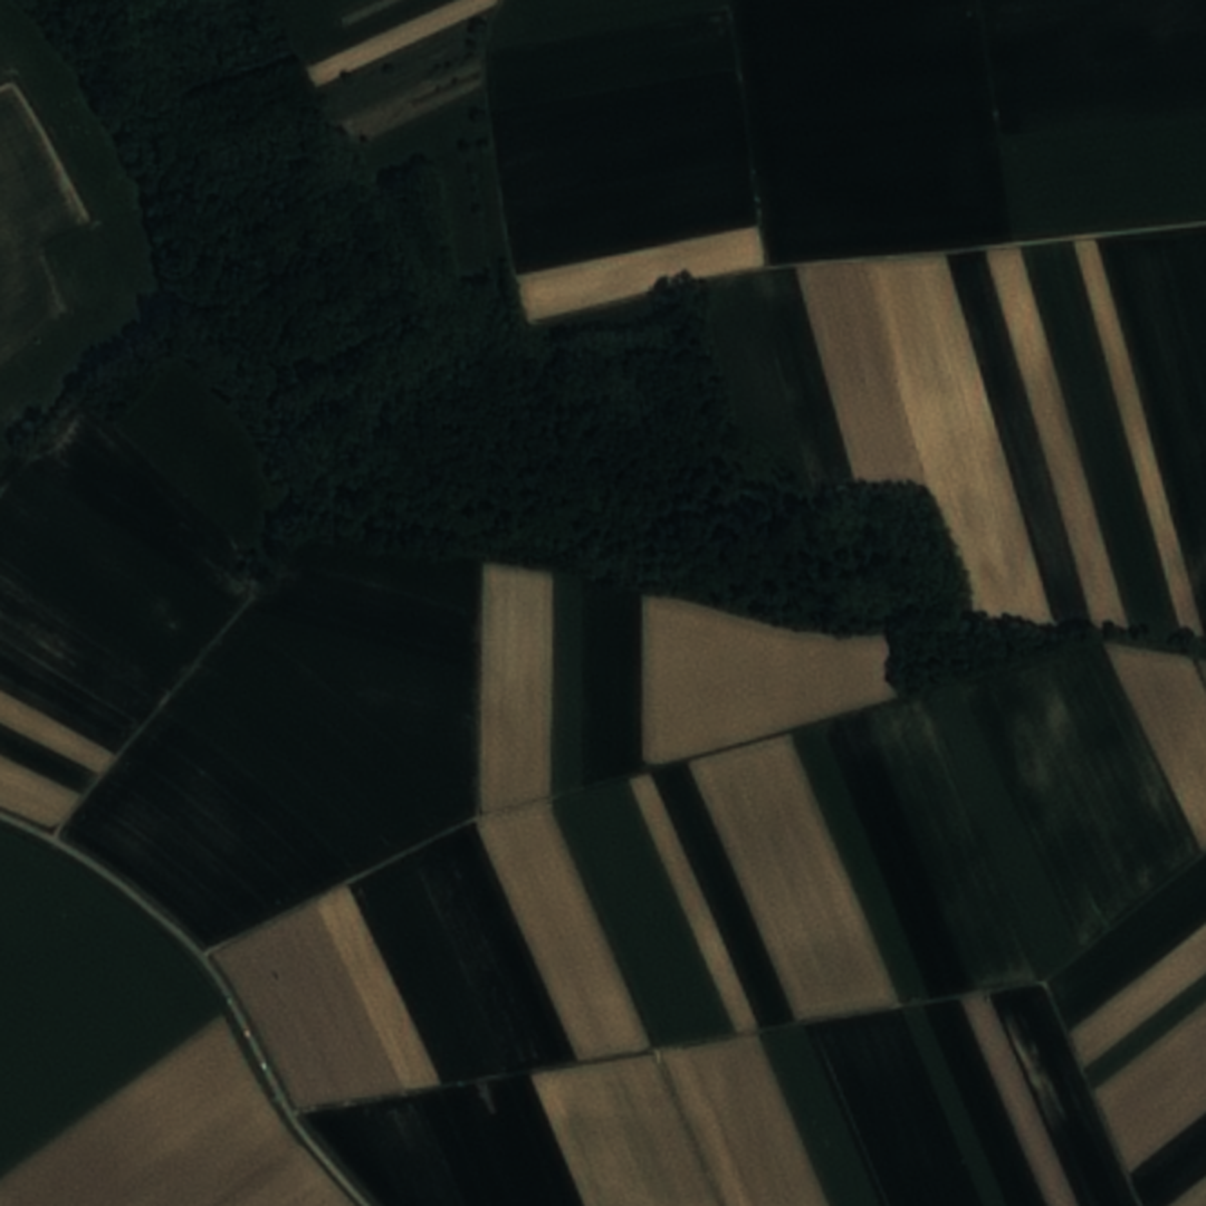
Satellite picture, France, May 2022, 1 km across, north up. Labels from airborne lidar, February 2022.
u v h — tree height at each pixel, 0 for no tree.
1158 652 0
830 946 0
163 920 0
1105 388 0
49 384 0
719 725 0
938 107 0
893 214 0
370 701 0
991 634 17
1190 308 0
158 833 0
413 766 0
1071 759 0
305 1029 0
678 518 27
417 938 0
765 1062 0
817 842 0
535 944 0
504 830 0
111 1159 0
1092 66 0
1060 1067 0
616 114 0
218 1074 0
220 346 25
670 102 0
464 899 0
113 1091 0
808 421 0
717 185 0
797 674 0
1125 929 0
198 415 0
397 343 27
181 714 0
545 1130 0
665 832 0
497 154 0
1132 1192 0
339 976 0
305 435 31
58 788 0
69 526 0
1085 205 0
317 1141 0
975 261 0
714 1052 0
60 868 0
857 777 0
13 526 0
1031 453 0
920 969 0
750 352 0
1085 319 0
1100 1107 0
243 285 30
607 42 0
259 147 23
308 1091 0
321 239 14
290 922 0
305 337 29
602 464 25
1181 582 0
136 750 0
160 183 27
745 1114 0
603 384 23
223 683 0
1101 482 0
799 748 0
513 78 0
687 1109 0
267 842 0
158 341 22
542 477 28
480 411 30
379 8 0
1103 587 0
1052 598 0
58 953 0
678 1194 0
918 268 0
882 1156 0
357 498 28
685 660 0
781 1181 0
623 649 0
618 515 21
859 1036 0
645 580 6
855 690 0
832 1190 0
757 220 0
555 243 0
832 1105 0
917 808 0
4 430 0
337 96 0
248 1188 0
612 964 0
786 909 0
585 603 0
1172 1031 0
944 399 0
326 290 27
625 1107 0
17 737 0
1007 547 0
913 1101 0
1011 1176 0
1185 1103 0
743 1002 0
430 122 0
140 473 0
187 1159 0
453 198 0
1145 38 0
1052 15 0
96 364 22
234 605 0
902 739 0
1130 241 0
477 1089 0
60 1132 0
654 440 24
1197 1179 0
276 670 0
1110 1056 0
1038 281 0
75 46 26
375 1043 0
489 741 0
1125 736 0
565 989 0
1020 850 0
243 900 0
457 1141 0
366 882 0
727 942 0
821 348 0
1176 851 0
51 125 0
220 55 25
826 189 0
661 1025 0
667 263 0
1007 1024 0
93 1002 0
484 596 0
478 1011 0
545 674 0
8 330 0
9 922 0
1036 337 0
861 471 0
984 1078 0
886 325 0
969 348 0
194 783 0
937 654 22
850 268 0
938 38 0
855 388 0
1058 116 0
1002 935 0
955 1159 0
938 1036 0
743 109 0
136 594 0
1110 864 0
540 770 0
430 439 30
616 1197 0
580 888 0
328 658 0
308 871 0
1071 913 0
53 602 0
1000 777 0
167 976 0
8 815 0
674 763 0
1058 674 0
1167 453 0
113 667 0
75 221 0
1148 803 0
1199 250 0
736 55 0
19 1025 0
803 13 0
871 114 0
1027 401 0
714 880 0
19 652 0
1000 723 0
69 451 0
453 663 0
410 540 28
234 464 0
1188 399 0
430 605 0
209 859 0
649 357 22
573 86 0
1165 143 0
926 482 0
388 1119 0
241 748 0
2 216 0
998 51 0
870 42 0
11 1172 0
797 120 0
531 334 15
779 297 0
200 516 0
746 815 0
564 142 0
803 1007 0
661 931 0
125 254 0
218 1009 0
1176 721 0
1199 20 0
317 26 0
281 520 17
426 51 0
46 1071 0
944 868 0
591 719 0
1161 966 0
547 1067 0
